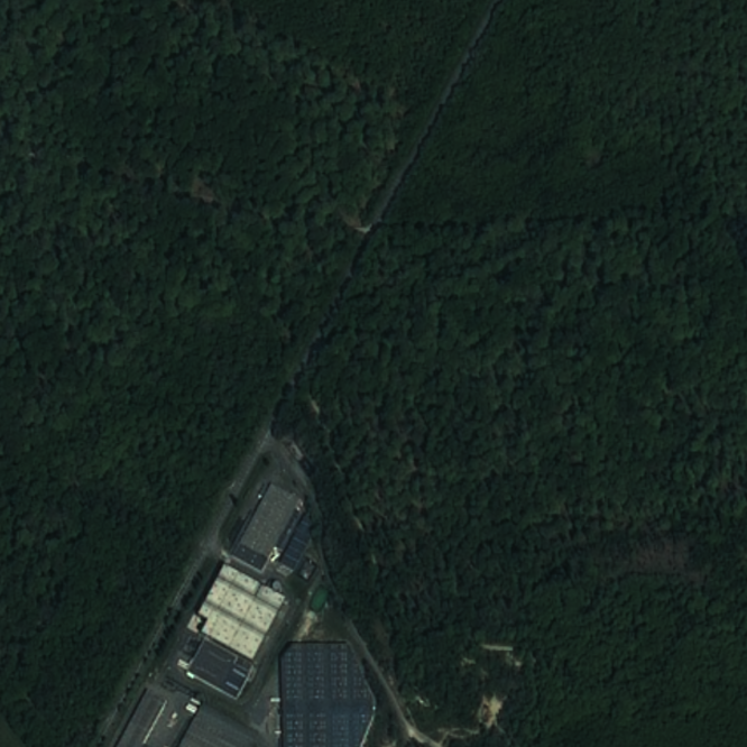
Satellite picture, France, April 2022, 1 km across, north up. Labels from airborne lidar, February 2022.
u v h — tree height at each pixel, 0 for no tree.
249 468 0
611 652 18
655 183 16
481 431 22
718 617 15
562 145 15
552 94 23
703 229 30
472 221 11
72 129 33
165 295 33
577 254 33
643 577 9
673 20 23
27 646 19
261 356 24
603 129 23
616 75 25
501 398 26
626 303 31
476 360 29
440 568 20
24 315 32
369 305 20
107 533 26
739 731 14
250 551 0
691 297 35
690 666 19
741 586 14
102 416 15
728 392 20
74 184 29
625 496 29
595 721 10
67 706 18
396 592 25
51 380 32
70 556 22
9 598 28
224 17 32
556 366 30
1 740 0
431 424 31
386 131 33
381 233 19
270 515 0
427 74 13
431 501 27
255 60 33
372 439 22
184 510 21
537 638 18
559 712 19
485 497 27
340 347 32
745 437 27
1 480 22
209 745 0
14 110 35
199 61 34
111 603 17
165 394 23
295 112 17
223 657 0
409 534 23
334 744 0
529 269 32
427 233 26
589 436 20
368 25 13
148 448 17
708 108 24
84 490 15
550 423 28
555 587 23
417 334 34
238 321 26
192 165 32
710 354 31
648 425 23
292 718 0
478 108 13
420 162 15
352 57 14
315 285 35
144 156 32
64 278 29
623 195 15
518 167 12
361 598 8
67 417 26
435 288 33
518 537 28
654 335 32
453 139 14
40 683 17
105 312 31
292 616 0
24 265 33
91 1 33
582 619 19
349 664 0
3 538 18
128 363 20
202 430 19
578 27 17
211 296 31
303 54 33
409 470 26
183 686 0
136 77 37
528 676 15
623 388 21
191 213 32
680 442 21
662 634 15
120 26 34
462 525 26
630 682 14
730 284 31
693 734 14
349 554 15
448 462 27
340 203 34
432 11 12
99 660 20
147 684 0
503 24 15
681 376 31
